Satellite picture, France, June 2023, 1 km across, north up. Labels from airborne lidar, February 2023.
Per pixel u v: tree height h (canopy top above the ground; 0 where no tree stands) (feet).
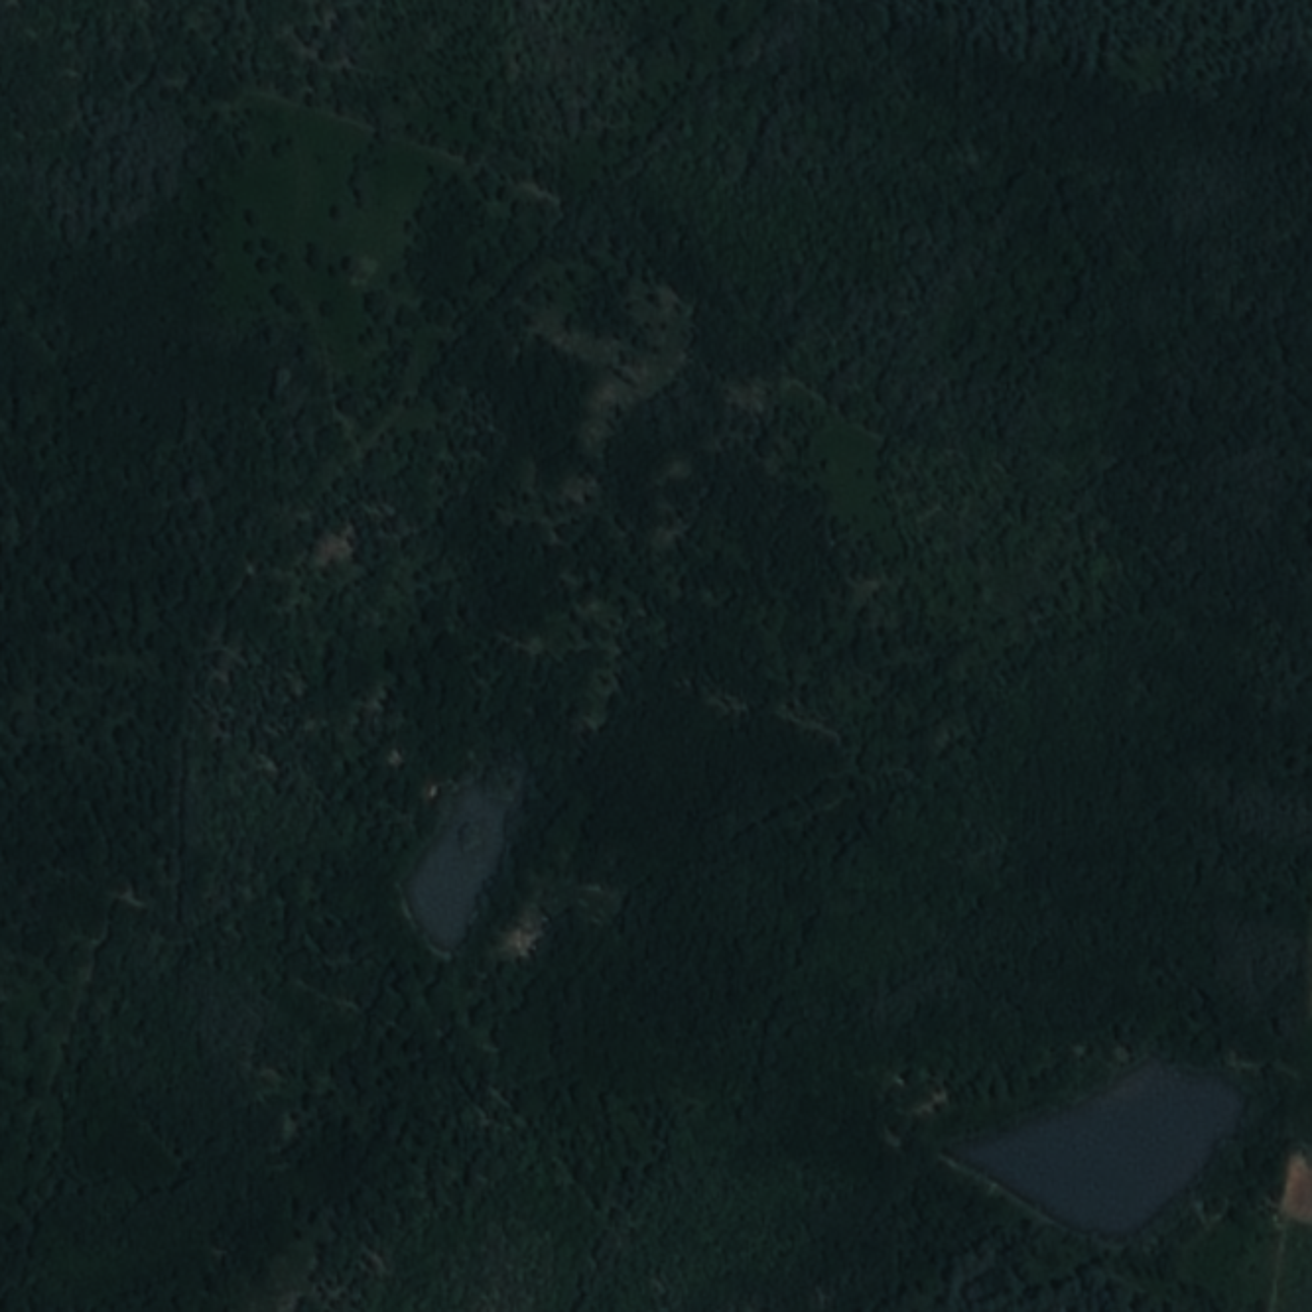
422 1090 46
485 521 57
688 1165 57
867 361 56
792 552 50
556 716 76
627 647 69
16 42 50
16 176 65
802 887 53
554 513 45
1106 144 55
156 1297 69
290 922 45
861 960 75
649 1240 52
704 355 40
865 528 0
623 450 33
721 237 32
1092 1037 77
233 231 0
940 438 58
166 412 35
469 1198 35
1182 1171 0
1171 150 62
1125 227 72
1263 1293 0
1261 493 65
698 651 56
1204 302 70
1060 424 49
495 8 22
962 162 68
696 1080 42
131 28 33
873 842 70
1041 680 65
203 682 39
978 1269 94
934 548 60
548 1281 21
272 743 63
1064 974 78
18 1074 62
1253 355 61
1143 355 62
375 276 0
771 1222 69
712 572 44
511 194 65
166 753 61
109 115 63
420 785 62
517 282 43
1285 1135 57
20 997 67
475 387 32
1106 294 68
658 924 82
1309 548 27
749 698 51
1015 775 62
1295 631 84
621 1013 54
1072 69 52
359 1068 79
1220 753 71
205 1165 86
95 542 36
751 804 55
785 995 59
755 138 26
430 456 49
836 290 55
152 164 76
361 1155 66
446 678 73
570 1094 28
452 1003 60
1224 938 81
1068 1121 0
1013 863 72
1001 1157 0
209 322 22
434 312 52
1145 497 60
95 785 58
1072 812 72
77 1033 30
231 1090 61
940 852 68
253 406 28
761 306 50
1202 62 80
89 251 28
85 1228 59
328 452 59
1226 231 55
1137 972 86
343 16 47
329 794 65
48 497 48
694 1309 67
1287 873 66
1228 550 68
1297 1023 72
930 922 66
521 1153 63
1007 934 82
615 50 31
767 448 55
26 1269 52
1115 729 74
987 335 24
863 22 68
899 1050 74
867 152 31
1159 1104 0
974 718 57
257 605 64
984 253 59
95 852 54
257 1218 84
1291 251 65
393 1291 32
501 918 38
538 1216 30
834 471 49
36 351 81
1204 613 72
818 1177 66
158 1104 77
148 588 22
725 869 65
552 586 63
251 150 63
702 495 48
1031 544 35
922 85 51
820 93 65
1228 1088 0
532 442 32
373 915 60
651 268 37
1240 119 72
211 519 66
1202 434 49
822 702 50
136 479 45
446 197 61
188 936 53
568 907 0
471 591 40
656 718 64
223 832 43
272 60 53
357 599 80
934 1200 62
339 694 73
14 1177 58
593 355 0
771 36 41
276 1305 0
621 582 69
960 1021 80
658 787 58
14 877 71
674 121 43
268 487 21
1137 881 79
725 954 44
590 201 34
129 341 31
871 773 56
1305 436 79
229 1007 62
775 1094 78
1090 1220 0
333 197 0
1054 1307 104
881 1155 80
